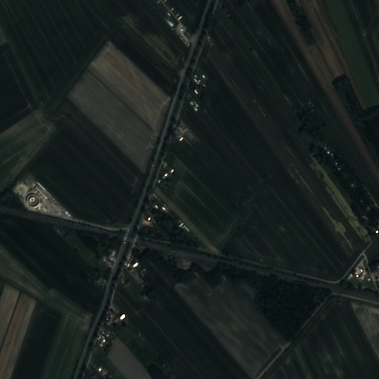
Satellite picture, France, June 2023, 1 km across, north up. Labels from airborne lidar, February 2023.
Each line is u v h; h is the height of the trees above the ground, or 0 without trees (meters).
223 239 0
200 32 0
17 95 0
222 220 0
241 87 0
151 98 0
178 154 0
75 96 0
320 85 0
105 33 0
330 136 0
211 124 0
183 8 0
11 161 0
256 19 0
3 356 0
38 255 0
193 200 0
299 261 0
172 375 0
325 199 0
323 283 0
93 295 0
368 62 0
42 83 0
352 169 7
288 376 0
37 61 0
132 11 0
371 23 0
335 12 0
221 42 0
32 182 0
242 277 10
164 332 0
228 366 0
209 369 0
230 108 0
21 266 0
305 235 0
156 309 0
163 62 0
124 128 0
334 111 0
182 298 0
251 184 0
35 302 0
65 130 0
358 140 0
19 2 0
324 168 0
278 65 0
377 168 0
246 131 0
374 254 0
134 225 0
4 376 0
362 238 0
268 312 29
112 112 0
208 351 0
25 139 0
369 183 0
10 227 0
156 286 0
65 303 0
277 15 0
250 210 0
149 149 0
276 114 0
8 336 0
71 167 0
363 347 0
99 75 0
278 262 0
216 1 0
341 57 0
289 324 29
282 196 0
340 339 0
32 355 0
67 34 0
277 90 0
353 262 0
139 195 0
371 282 0
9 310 0
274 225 0
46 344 0
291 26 0
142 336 0
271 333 0
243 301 0
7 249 0
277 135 0
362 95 0
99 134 0
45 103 0
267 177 0
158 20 0
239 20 0
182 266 0
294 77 0
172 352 0
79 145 0
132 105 0
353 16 0
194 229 0
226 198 0
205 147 0
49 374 0
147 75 0
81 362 0
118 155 0
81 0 0
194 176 0
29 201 0
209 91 0
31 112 0
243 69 0
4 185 0
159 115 0
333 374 0
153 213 14
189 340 0
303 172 0
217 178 0
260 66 0
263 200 0
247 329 0
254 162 0
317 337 0
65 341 0
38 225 0
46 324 0
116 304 0
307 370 0
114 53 0
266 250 0
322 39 0
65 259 0
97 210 0
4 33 0
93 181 0
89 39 0
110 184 0
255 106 0
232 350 0
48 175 0
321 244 0
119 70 0
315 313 0
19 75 0
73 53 0
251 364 0
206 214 0
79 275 0
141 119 0
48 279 0
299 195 0
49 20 0
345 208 0
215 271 14
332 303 0
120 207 0
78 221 0
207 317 0
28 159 0
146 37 0
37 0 0
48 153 0
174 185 0
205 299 0
